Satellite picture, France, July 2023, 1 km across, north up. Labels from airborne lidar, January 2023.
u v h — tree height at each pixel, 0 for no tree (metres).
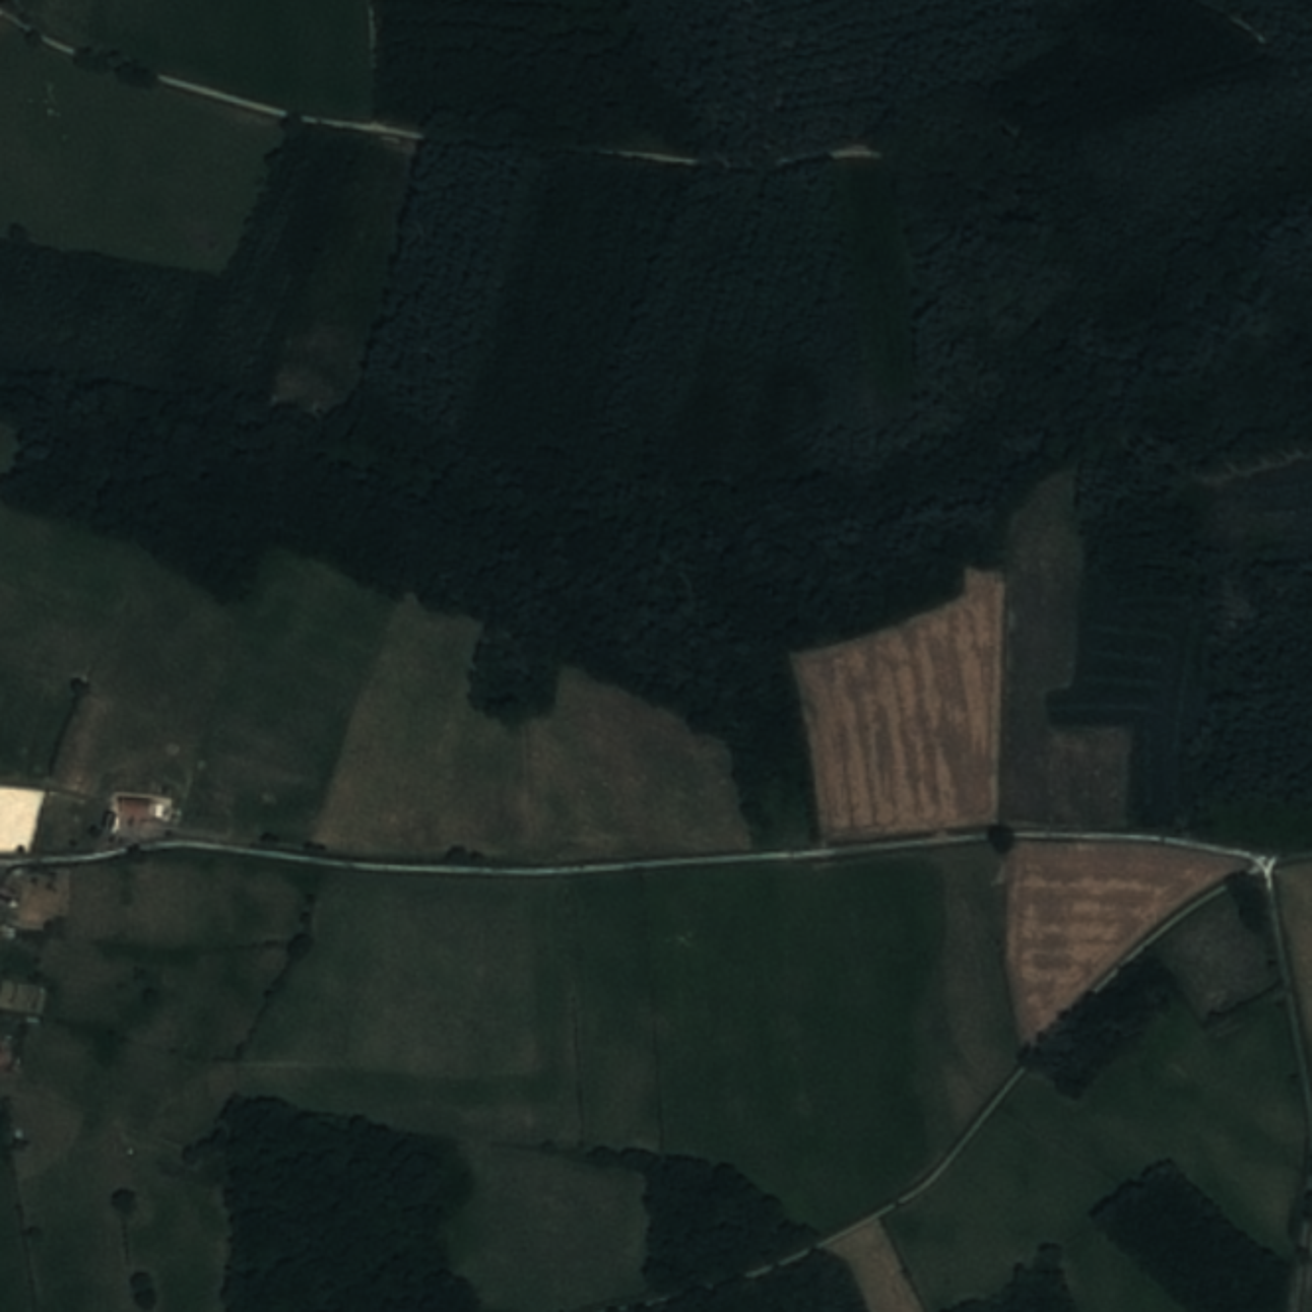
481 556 7
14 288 9
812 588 19
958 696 0
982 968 0
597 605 12
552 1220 0
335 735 0
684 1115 0
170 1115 0
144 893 0
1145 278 14
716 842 0
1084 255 14
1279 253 21
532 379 9
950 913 0
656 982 0
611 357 11
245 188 0
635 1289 0
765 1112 0
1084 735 0
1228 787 20
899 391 0
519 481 8
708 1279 15
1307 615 20
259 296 8
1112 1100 0
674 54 13
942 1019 0
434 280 23
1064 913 0
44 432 23
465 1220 0
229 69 0
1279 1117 0
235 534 24
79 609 0
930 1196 0
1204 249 24
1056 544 0
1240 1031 0
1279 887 0
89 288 8
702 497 17
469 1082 0
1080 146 12
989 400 14
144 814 0
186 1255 0
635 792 0
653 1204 16
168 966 0
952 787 0
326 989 0
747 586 9
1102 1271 0
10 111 0
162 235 0
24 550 0
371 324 0
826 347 17
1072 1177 0
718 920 0
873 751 0
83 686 13
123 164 0
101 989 0
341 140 7
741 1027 0
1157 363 13
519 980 0
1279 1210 0
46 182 0
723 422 10
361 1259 24
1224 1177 0
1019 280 25
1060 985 0
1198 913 0
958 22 18
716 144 11
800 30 16
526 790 0
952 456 22
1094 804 0
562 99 10
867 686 0
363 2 0
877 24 15
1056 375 24
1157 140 11
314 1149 10
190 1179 0
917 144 30
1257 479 0
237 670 0
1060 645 0
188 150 0
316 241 8
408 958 0
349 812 0
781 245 23
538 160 24
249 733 0
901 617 11
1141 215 11
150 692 0
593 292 10
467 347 25
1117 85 17
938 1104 0
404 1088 0
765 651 12
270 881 0
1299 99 11
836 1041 0
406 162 0
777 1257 14
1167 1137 0
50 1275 0
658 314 21
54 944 0
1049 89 14
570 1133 0
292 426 26
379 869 0
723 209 19
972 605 0
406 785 0
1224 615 21
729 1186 14
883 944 0
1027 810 0
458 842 0
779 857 0
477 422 7
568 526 20
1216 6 14
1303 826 0
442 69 10
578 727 0
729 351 15
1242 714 19
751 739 7
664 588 16
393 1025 0
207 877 0
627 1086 0
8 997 0
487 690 17
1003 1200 0
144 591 0
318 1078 0
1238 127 9
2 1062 0
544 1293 0
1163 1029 0
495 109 11
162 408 20
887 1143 0
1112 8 15
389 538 20
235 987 0
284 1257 14
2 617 0
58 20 0
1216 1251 21
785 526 15
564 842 0
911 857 0
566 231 13
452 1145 0
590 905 0
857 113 15
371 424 23
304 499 20
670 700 20
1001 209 23
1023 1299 7
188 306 6
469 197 27
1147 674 0
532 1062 0
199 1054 0
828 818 0
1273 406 9
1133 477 15
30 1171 0
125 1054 0
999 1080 0
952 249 24
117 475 20
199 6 0
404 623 0
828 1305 7
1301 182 7
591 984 0
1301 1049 0
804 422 13
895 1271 0
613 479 12
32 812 0
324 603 0
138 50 0
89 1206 0
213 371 11
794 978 0
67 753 0
